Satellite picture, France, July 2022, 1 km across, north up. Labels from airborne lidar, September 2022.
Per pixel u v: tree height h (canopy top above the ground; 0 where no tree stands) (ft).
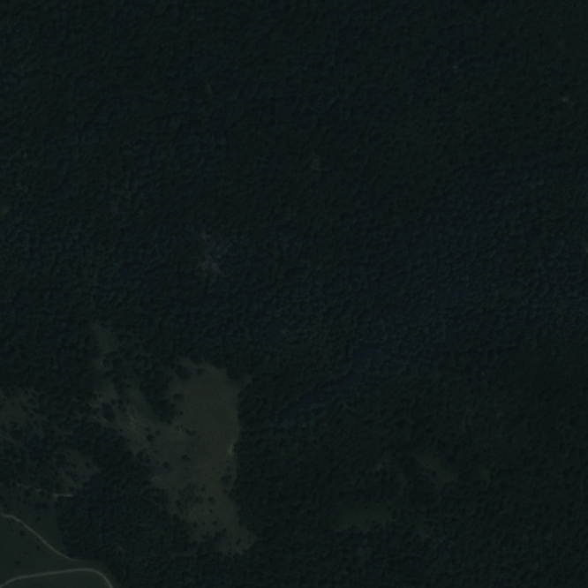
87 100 79
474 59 69
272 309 100
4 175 102
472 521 73
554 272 109
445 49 67
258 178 69
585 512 30
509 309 80
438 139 46
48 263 72
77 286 82
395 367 65
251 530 36
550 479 52
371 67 71
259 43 45
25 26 27
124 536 66
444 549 87
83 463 0
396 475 31
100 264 77
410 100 69
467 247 94
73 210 65
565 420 89
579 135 37
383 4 42
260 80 36
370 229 83
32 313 94
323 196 80
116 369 61
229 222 91
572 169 72
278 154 69
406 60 29
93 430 53
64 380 62
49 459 43
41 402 40
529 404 83
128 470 47
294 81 72
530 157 62
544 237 98
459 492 30
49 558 0
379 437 87
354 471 84
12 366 87
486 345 63
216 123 60
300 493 61
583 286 86
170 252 77
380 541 69
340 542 21
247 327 29
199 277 88
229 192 81
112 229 89
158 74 68
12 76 69
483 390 74
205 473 0
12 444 31
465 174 64
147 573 82
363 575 51
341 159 74
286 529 82
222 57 72
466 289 86
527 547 62
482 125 53
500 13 92
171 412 31
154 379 66
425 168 26
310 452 74
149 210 64
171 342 78
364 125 72
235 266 108
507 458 26
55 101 68
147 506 55
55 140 93
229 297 63
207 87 91
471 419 53
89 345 73
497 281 82
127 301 78
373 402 73
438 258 91
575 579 56
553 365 91
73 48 74
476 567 76
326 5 29
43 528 0
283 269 88
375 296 100
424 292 99
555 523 25
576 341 75
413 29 73
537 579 47
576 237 80
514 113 40
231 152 77
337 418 44
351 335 98
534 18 100
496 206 78
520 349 87
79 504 95
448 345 47
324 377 78
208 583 51
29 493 52
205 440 0
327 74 33
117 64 25
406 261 131
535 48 29
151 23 70
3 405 23
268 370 72
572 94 69
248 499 45
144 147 92
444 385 54
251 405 53
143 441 0
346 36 94
